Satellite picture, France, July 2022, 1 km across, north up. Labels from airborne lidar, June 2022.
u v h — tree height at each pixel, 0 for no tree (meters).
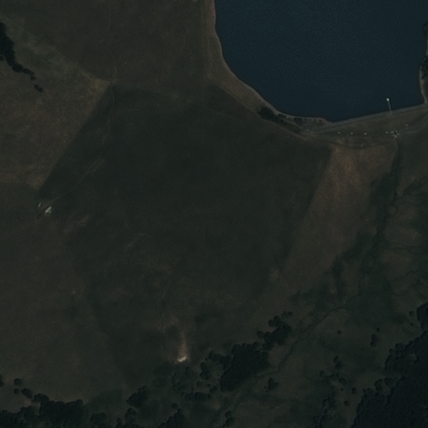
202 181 0
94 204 0
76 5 0
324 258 0
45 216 0
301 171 0
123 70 0
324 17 0
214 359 14
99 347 0
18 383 15
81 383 0
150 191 0
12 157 0
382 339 0
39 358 0
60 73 0
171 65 0
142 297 0
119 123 0
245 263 0
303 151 0
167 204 0
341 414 0
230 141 0
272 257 0
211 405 0
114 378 0
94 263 0
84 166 0
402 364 17
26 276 0
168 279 0
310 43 0
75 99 0
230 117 0
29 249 0
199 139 0
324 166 0
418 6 0
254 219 0
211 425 0
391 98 0
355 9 0
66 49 0
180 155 0
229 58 0
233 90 0
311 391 0
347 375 0
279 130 0
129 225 0
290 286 0
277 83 0
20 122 0
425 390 16
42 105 0
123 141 0
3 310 0
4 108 0
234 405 0
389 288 0
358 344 0
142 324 0
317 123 0
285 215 0
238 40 0
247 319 0
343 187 0
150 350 0
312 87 0
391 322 0
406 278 0
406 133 0
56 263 0
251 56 0
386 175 0
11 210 0
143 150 0
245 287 0
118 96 0
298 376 0
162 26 0
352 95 0
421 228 0
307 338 0
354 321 0
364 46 0
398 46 0
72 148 0
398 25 0
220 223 0
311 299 0
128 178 0
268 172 0
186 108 0
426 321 15
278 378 0
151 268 0
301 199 0
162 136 0
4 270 0
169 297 0
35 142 0
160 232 0
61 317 0
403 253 0
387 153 0
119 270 0
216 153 0
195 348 0
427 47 0
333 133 0
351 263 0
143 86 0
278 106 0
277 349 0
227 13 0
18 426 11
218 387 8
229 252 0
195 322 0
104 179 0
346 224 0
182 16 0
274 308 0
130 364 0
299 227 0
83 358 0
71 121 0
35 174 0
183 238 0
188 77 0
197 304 0
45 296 0
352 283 0
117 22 0
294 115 0
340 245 0
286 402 0
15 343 0
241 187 0
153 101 0
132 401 15
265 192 0
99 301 0
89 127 0
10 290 0
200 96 0
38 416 8
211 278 0
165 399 0
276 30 0
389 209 0
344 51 0
